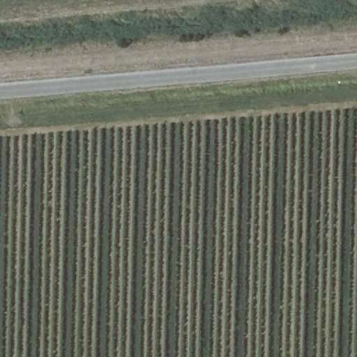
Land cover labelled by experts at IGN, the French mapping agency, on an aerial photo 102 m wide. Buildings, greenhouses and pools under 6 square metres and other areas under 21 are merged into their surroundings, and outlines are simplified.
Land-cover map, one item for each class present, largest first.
<instances>
[{"label":"vineyard","instance_id":"1","mask_svg":"<svg viewBox=\"0 0 357 357\"><path fill-rule=\"evenodd\" d=\"M29 127L22 128L0 130V357H357V109L350 107L326 112L279 113L259 117H231L192 123L190 121L137 126L135 134H131V127L26 134Z\"/></svg>","mask_w":357,"mask_h":357},{"label":"deciduous trees","instance_id":"2","mask_svg":"<svg viewBox=\"0 0 357 357\"><path fill-rule=\"evenodd\" d=\"M319 24L331 32H337L344 25H357V0H243L238 3L226 1L215 6H184L180 13L158 8L123 11L110 15H70L49 18L43 22H36L35 25H22L21 22L0 24V56H11L15 50L21 54L49 53L56 47L82 43L86 40L106 43L114 40L117 46L123 43L124 38H137L138 42L142 43L160 40L198 42L227 36L250 38L257 33L284 35V26H289L290 31H296L298 26L310 28ZM17 99L20 102L15 105L14 110L20 117L22 128L29 127L66 126L93 121H124L357 100V70L301 78H291L287 75L268 81H251L248 84L204 82L201 86L188 88L131 93L79 92L66 96Z\"/></svg>","mask_w":357,"mask_h":357},{"label":"herbaceous vegetation","instance_id":"3","mask_svg":"<svg viewBox=\"0 0 357 357\"><path fill-rule=\"evenodd\" d=\"M226 1L238 3L243 0H0V24L21 22L22 25H35L36 22H43L49 18L70 15H110L123 11L158 8L180 13L184 6H215ZM284 35L257 33L250 38L227 36L198 42L160 40L142 43L138 42L137 38H124L123 43L117 46L114 40L106 43L86 40L82 43L56 47L49 53L21 54L15 50L11 56H0V82L132 73L165 68L222 66L251 61L357 53V25H344L337 32H331L319 24L310 28L298 26L296 31H290L289 26H284ZM20 102L17 99H0V130L22 128L20 117L14 110L15 105ZM350 107L357 109V100L124 121H93L66 126L29 127L26 134L131 127V134H135L137 126L190 121L192 123L231 117H259L279 113L326 112Z\"/></svg>","mask_w":357,"mask_h":357},{"label":"impervious surface","instance_id":"4","mask_svg":"<svg viewBox=\"0 0 357 357\"><path fill-rule=\"evenodd\" d=\"M357 70V53L251 61L222 66L165 68L132 73L0 82V99H17L66 96L79 92L131 93L188 88L201 86L204 82L248 84L251 81H268L287 75L291 78H301Z\"/></svg>","mask_w":357,"mask_h":357}]
</instances>
